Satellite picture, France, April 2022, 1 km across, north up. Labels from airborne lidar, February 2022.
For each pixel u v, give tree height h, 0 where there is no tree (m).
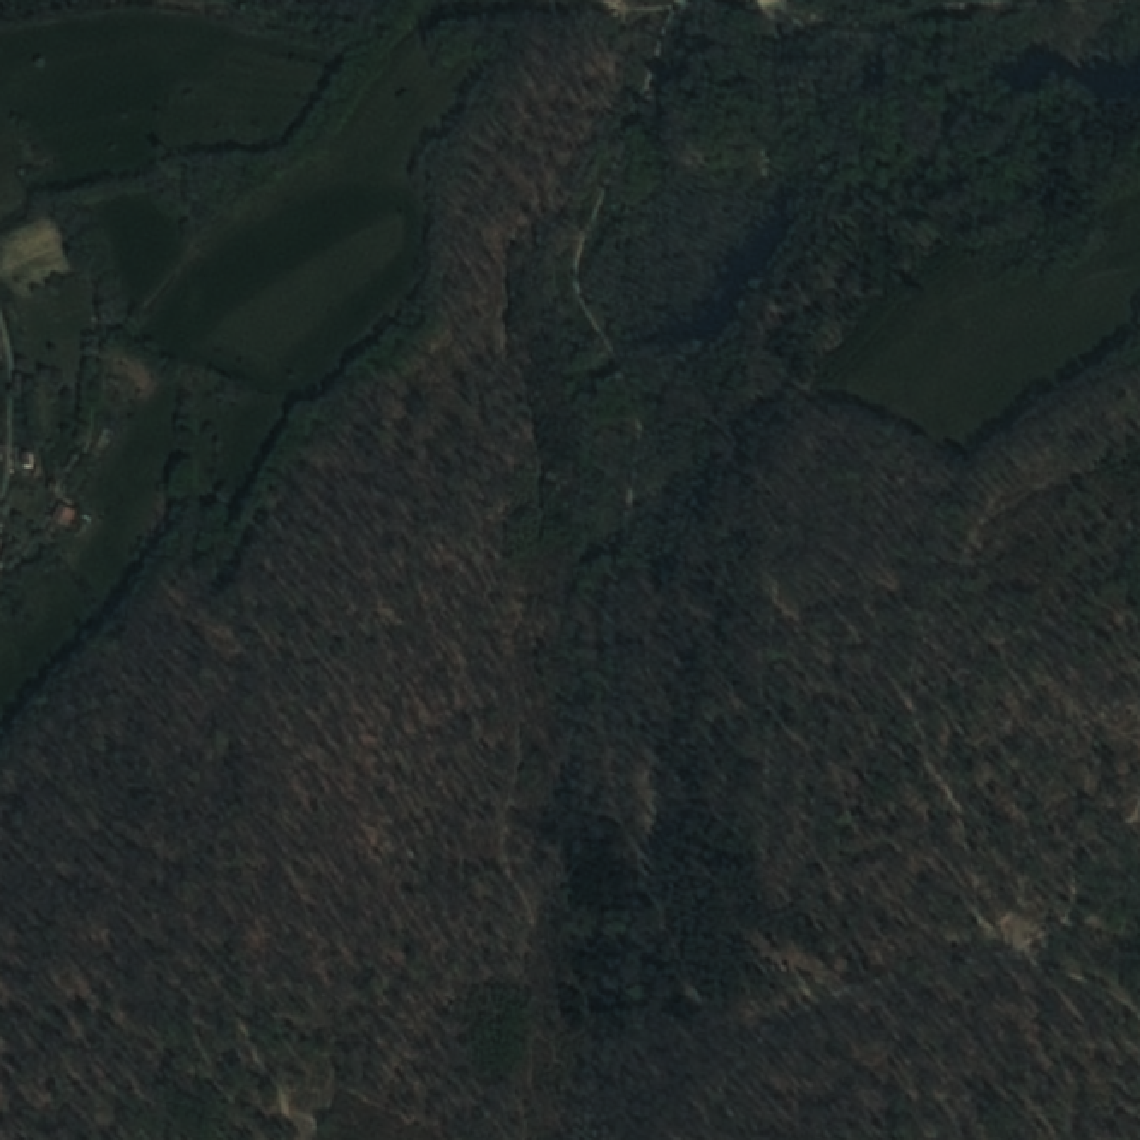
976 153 27
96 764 31
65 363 0
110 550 0
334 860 31
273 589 29
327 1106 0
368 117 0
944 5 8
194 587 33
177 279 0
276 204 0
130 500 0
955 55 26
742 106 21
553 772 22
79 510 6
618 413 21
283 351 0
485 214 29
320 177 0
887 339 0
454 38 24
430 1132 6
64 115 0
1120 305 0
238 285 0
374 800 36
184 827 28
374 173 0
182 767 28
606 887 22
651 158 19
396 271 0
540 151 33
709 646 26
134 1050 31
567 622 26
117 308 22
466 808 30
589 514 27
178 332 0
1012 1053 29
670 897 23
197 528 30
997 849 10
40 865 34
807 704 28
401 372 12
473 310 32
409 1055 34
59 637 0
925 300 27
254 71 0
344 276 0
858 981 19
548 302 26
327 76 0
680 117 29
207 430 7
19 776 29
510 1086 31
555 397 17
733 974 26
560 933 22
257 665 29
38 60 8
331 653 25
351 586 28
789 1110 34
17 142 0
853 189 21
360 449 30
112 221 0
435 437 0
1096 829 29
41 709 26
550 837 26
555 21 25
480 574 34
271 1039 34
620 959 10
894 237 11
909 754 27
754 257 22
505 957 29
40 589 0
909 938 23
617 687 30
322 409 26
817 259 29
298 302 0
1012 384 0
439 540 31
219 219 17
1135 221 0
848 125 22
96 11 14
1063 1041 35
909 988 26
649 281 22
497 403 32
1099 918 31
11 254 0
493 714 16
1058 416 28
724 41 22
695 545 23
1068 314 0
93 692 30
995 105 22
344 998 31
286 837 28
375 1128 8
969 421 0
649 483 9
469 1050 29
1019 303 0
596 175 25
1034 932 0
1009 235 27
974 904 26
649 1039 34
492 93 24
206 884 27
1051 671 28
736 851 24
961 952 10
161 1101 32
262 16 21
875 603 33
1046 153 25
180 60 0
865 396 0
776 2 0
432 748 29
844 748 30
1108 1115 31
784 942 27
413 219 0
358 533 30
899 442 32
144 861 31
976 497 32
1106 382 28
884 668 30
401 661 31
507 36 24
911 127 26
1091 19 0
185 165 22
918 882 27
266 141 0
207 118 0
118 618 22
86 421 12
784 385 28
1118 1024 30
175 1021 32
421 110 0
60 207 20
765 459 32
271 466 17
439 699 32
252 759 29
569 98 16
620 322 21
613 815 23
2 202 0
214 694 30
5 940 28
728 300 9
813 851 30
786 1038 28
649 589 25
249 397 19
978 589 31
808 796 26
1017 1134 35
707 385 19
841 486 28
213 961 30
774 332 25
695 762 27
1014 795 8
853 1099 36
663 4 0
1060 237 11
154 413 0
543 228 28
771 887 29
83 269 22
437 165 21
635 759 27
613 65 27
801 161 23
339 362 0
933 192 12
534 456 14
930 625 33
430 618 33
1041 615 32
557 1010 16
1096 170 25
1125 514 12
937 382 0
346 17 26
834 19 10
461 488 35
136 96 0
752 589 29
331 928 31
